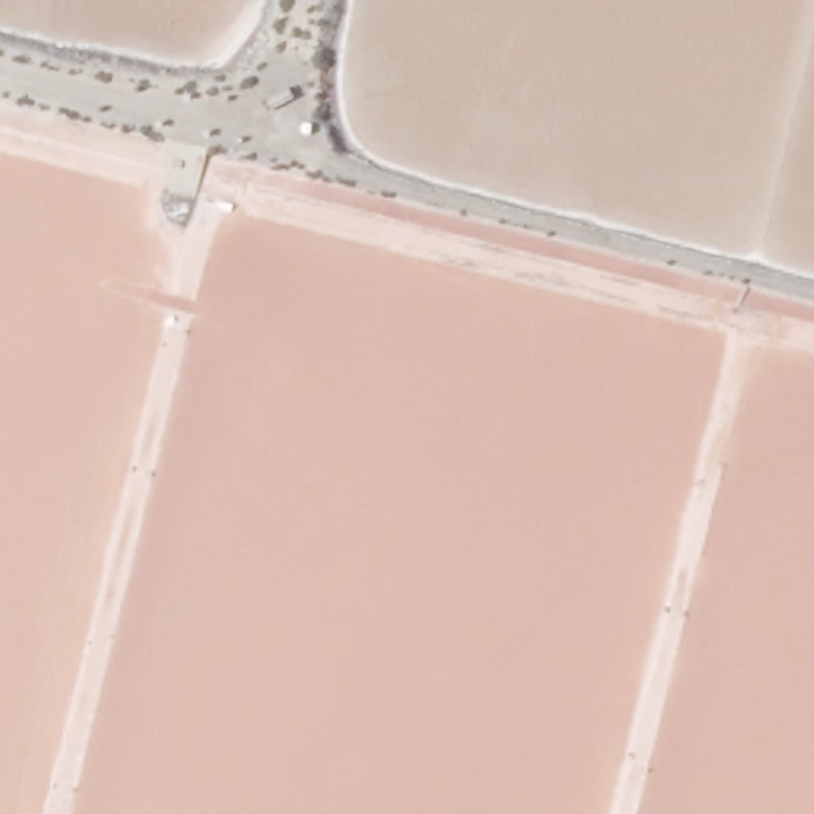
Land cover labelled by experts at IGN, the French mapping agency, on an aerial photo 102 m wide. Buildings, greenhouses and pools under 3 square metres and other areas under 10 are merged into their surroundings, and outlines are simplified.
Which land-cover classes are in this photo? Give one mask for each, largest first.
<instances>
[{"label":"water","instance_id":"1","mask_svg":"<svg viewBox=\"0 0 814 814\"><path fill-rule=\"evenodd\" d=\"M261 19V6H254L251 0H0V32L48 41L57 48L108 51L169 67H219L229 64V57L242 48V41ZM334 111L350 146L385 169L426 178L439 188L525 204L556 216L585 219L591 226L614 232H642L674 245L700 248L706 254H725L754 264L779 258L789 264L814 267V0H347L343 22L337 32V51ZM169 261V251L146 229L143 194L134 184L0 153V814H41L51 763L60 744L67 700L89 630L108 525L127 477L134 429L146 397L162 318L172 312L188 315L191 324L184 331V353L172 391L162 452L149 477L143 531L134 553L70 814H607L642 684L645 652L665 595L668 566L677 547L680 515L690 496L700 436L706 429L712 394L719 385L725 337L693 324L655 318L636 308L601 305L579 296L521 286L502 277H486L474 270V261H423L299 226L254 219L242 210V204H232L229 213L219 219V229L207 251L197 296H175L165 293L162 280L156 277V267ZM719 493L709 512L690 607L684 614V630L655 747L649 757L639 814H814V353L763 347L747 350L744 385L738 394L735 420L722 442Z\"/></svg>","mask_w":814,"mask_h":814},{"label":"pervious surface","instance_id":"2","mask_svg":"<svg viewBox=\"0 0 814 814\"><path fill-rule=\"evenodd\" d=\"M254 6H261V19L242 41V48L229 57V64L219 67L226 73V83H181L178 76L124 70L114 64H86L79 76H70L67 60L57 73H51L32 64L0 57V153L134 184L143 194L146 229L169 251V261L156 267V277L162 280L165 293L175 296H197L207 251L219 229V219L229 213L232 204H242V210L254 219L299 226L423 261H474V270L486 277H502L521 286L579 296L601 305L636 308L655 318L693 324L725 337L719 385L712 394L706 429L700 436L690 496L680 515L677 547L668 566L665 595L645 652L642 684L607 814H639L649 757L655 747L684 630V614L690 607L709 512L719 493L722 442L735 420L738 394L744 385L747 350L763 347L814 353V267L789 264L779 258L754 264L725 254H706L700 248L674 245L642 232H614L591 226L585 219L556 216L525 204L439 188L426 178L385 169L350 146L337 156L324 130H312L321 89L315 54L321 48L337 51V32L343 22L347 0H251ZM191 324L188 315L172 312L162 318L146 397L134 429L127 477L108 525L89 630L67 700L60 744L51 763L41 814H70L134 553L143 531L149 477L162 452L172 391L184 353V331Z\"/></svg>","mask_w":814,"mask_h":814},{"label":"herbaceous vegetation","instance_id":"3","mask_svg":"<svg viewBox=\"0 0 814 814\"><path fill-rule=\"evenodd\" d=\"M0 57L32 64L51 73H57L67 60L70 76H79L86 64H114L124 70L178 76L181 83H226V73L219 67H169L108 51L57 48L48 41L0 32ZM321 89L312 130H324L337 156L350 146L334 111L337 51L321 48L315 54Z\"/></svg>","mask_w":814,"mask_h":814}]
</instances>
